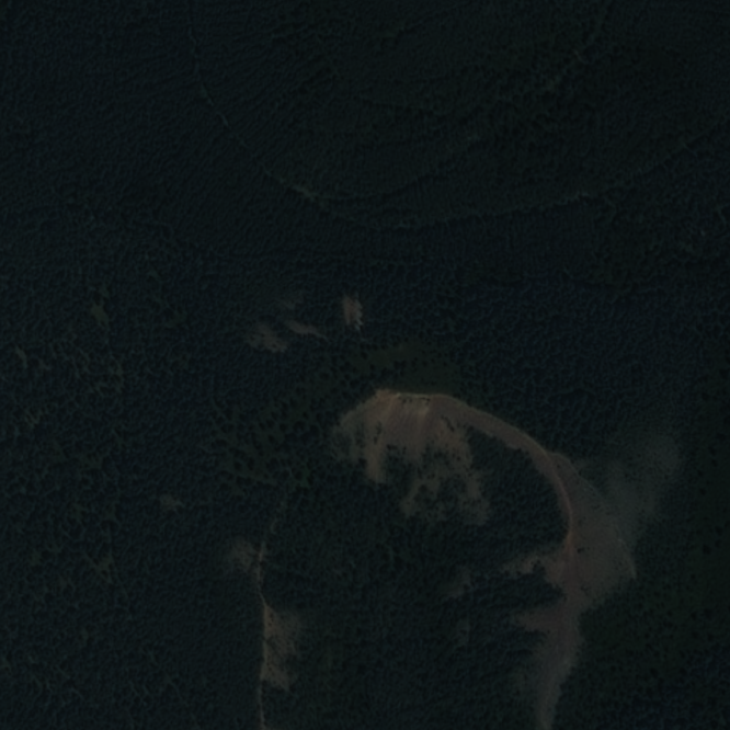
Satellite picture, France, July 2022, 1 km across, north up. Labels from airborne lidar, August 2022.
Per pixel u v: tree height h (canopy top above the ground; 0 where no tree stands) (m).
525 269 18
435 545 13
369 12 13
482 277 9
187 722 19
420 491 8
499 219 20
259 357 16
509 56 6
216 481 13
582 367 24
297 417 0
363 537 12
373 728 13
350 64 16
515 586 8
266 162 21
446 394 0
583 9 16
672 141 23
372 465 0
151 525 14
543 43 14
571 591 0
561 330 29
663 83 20
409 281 22
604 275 14
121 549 16
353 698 12
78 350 7
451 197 21
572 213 22
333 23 12
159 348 19
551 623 0
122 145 29
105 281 18
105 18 25
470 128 23
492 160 18
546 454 0
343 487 21
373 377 10
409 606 15
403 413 0
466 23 23
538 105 8
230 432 13
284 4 18
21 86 26
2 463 16
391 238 22
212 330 19
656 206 19
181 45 23
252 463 15
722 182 27
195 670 14
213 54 22
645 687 8
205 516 12
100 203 26
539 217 22
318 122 19
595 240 26
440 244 23
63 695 15
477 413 0
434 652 15
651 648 18
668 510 6
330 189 14
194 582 16
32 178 26
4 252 20
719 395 9
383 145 20
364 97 7
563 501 0
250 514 14
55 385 20
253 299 7
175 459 15
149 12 18
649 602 8
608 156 25
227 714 18
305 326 10
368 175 20
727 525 14
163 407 15
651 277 18
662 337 19
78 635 13
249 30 20
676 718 12
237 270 26
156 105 27
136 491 17
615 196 14
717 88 26
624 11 21
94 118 28
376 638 17
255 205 22
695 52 25
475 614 12
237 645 12
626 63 18
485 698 6
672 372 18
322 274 22
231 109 21
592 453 8
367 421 0
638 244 16
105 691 17
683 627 10
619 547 0
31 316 17
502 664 8
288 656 7
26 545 13
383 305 10
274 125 23
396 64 17
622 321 33
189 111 21
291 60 19
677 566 8
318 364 8
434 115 19
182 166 26
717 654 23
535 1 19
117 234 20
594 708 13
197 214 25
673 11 19
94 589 16
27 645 15
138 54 21
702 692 8
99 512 20
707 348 7
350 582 8
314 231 20
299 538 11
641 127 24
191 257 22
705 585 8
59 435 14
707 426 7
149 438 16
